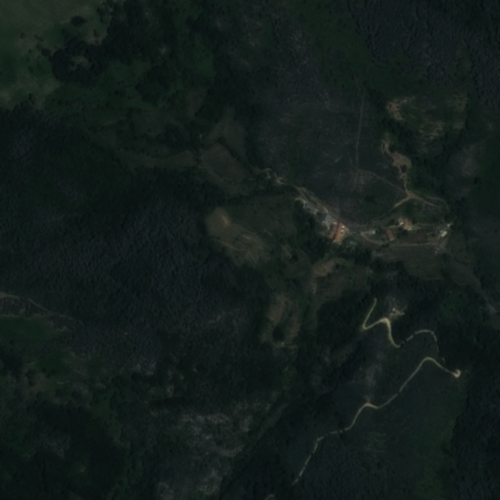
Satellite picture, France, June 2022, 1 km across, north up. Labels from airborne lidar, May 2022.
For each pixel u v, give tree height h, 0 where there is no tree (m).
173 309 16
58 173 18
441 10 15
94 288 16
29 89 0
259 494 20
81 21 17
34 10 0
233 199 17
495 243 0
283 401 14
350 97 0
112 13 12
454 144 8
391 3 13
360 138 0
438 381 0
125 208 25
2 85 0
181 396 7
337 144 0
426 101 0
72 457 11
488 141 0
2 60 0
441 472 7
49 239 23
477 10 14
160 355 9
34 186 15
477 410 12
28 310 13
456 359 19
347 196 0
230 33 8
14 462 19
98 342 6
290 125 0
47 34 0
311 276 0
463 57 7
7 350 11
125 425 8
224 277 8
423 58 10
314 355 8
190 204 10
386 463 6
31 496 15
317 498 9
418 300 6
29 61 6
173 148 12
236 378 11
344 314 12
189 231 13
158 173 17
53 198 15
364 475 7
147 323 16
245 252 0
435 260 0
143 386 9
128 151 12
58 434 14
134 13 9
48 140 11
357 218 0
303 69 6
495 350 20
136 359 6
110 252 16
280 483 18
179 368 13
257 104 11
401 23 21
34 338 0
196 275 14
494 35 10
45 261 18
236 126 0
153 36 13
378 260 9
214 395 16
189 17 8
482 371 19
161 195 13
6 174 23
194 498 0
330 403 9
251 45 0
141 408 10
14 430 7
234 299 12
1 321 0
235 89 15
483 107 0
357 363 7
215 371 11
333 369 7
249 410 8
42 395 17
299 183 0
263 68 10
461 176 0
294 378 7
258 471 15
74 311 9
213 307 14
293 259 11
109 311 8
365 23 12
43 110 10
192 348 14
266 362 11
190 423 9
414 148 19
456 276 0
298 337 8
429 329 9
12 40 0
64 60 23
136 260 22
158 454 7
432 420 0
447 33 18
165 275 18
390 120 8
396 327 12
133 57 10
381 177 0
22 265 7
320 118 0
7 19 0
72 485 24
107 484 21
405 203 0
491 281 13
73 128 13
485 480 6
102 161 17
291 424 9
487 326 10
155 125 0
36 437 6
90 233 9
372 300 8
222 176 8
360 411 0
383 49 17
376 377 0
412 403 0
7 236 9
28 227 15
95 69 25
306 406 23
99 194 13
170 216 17
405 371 0
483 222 0
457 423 10
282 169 0
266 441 15
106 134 0
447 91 0
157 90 8
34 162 22
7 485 17
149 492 8
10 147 22
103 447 15
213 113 13
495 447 12
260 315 10
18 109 15
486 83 14
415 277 12
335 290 0
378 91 15
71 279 13
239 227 0
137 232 20
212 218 0
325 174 0
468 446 7
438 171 10
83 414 27
